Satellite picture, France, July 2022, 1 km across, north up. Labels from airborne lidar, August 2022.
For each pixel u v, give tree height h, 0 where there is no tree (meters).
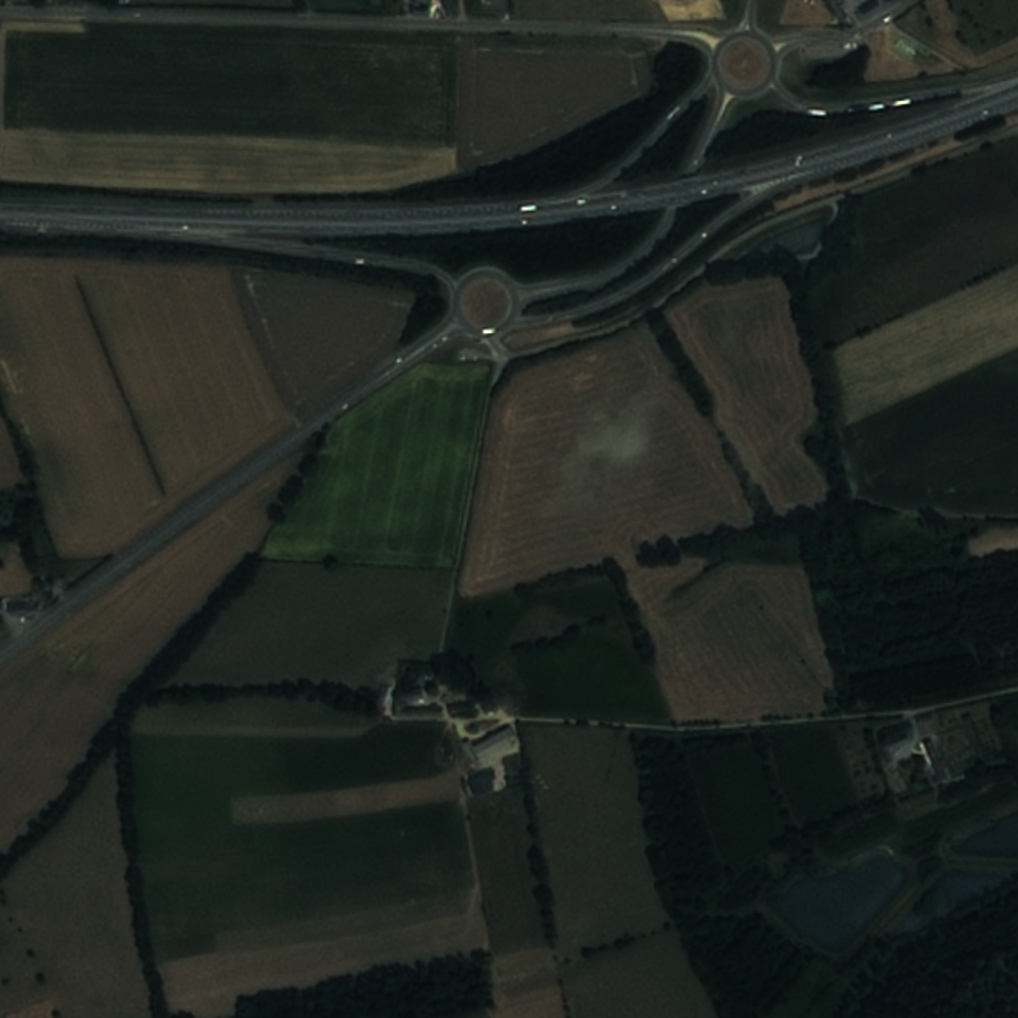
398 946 0
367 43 0
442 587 0
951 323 0
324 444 15
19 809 0
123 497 0
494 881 0
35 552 14
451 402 0
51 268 0
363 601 0
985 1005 18
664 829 17
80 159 0
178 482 0
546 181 14
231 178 0
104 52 0
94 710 0
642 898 0
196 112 0
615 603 0
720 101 0
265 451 0
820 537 15
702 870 14
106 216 0
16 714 0
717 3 0
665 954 0
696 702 0
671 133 9
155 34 0
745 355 0
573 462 0
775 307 0
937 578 13
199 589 0
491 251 13
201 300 0
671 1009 0
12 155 0
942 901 9
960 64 0
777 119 9
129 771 16
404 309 0
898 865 0
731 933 11
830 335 0
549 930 12
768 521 18
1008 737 12
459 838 0
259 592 0
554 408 0
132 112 0
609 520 0
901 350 0
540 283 0
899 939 7
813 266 12
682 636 0
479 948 0
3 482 0
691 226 9
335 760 0
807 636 0
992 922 8
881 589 12
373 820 0
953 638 16
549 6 0
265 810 0
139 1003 0
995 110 0
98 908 0
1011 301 0
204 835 0
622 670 0
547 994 0
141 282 0
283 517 20
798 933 0
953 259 0
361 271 9
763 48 0
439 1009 18
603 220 13
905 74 0
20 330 0
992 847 0
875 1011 26
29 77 0
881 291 0
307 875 0
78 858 0
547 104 0
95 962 0
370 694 7
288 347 0
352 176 0
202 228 0
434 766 0
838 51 0
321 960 0
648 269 8
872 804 13
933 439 0
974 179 0
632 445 0
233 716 0
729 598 0
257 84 0
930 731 0
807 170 0
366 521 0
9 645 0
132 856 10
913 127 0
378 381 0
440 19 0
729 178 0
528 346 0
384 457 0
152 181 0
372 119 0
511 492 0
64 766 0
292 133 0
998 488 0
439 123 0
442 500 0
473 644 0
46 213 0
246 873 0
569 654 0
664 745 15
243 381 0
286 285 0
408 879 0
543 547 0
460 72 0
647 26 0
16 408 0
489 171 14
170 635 0
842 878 0
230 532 0
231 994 0
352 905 0
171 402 0
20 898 0
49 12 0
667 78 10
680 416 0
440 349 0
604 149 14
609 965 0
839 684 6
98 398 0
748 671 0
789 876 10
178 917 0
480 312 0
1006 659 10
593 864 0
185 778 0
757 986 14
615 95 0
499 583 0
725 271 20
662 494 0
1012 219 0
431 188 12
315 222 0
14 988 0
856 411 0
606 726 6
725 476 0
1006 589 20
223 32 0
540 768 0
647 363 0
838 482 11
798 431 0
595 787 0
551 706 0
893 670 11
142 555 0
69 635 0
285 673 0
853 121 10
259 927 0
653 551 19
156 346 0
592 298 7
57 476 0
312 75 0
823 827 12
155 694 11
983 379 0
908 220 0
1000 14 0
